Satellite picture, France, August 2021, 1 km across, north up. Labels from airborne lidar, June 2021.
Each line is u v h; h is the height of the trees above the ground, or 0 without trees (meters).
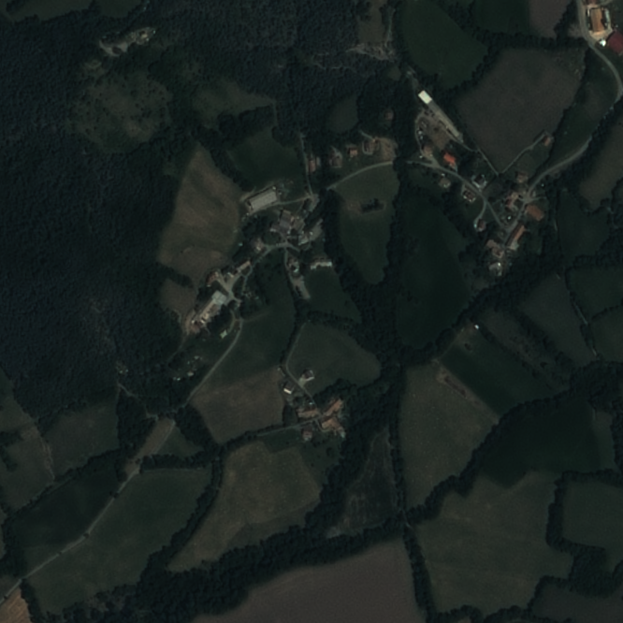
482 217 0
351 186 0
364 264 0
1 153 16
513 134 0
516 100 0
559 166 0
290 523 0
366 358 0
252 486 0
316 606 0
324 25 12
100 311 9
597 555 12
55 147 18
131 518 0
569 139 0
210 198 0
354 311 0
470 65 0
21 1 11
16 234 24
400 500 7
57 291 20
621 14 0
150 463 17
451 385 0
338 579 0
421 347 0
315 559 23
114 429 0
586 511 0
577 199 14
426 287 0
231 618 0
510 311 13
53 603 0
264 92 11
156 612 23
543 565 0
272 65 8
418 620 0
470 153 8
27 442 0
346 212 0
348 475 18
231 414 0
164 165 12
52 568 0
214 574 18
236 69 14
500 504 0
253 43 10
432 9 0
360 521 0
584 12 0
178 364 11
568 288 9
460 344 0
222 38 12
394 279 19
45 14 0
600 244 0
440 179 10
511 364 0
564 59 0
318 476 0
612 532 0
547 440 0
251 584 16
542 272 18
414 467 0
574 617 0
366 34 0
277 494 0
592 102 0
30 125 18
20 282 22
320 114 16
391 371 21
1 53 14
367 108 15
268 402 0
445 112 8
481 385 0
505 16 0
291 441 0
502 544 0
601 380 23
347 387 14
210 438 8
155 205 14
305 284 0
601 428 0
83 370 14
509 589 0
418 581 16
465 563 0
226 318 12
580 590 15
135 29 11
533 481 0
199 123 14
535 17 0
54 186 12
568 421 0
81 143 12
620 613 0
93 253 15
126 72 14
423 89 6
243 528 0
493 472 0
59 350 12
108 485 0
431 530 0
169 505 0
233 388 0
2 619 0
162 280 12
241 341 0
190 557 0
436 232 0
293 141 9
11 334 23
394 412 16
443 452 0
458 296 0
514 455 0
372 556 0
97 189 11
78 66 9
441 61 0
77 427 0
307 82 14
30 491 0
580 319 7
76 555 0
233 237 0
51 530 0
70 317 11
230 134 24
